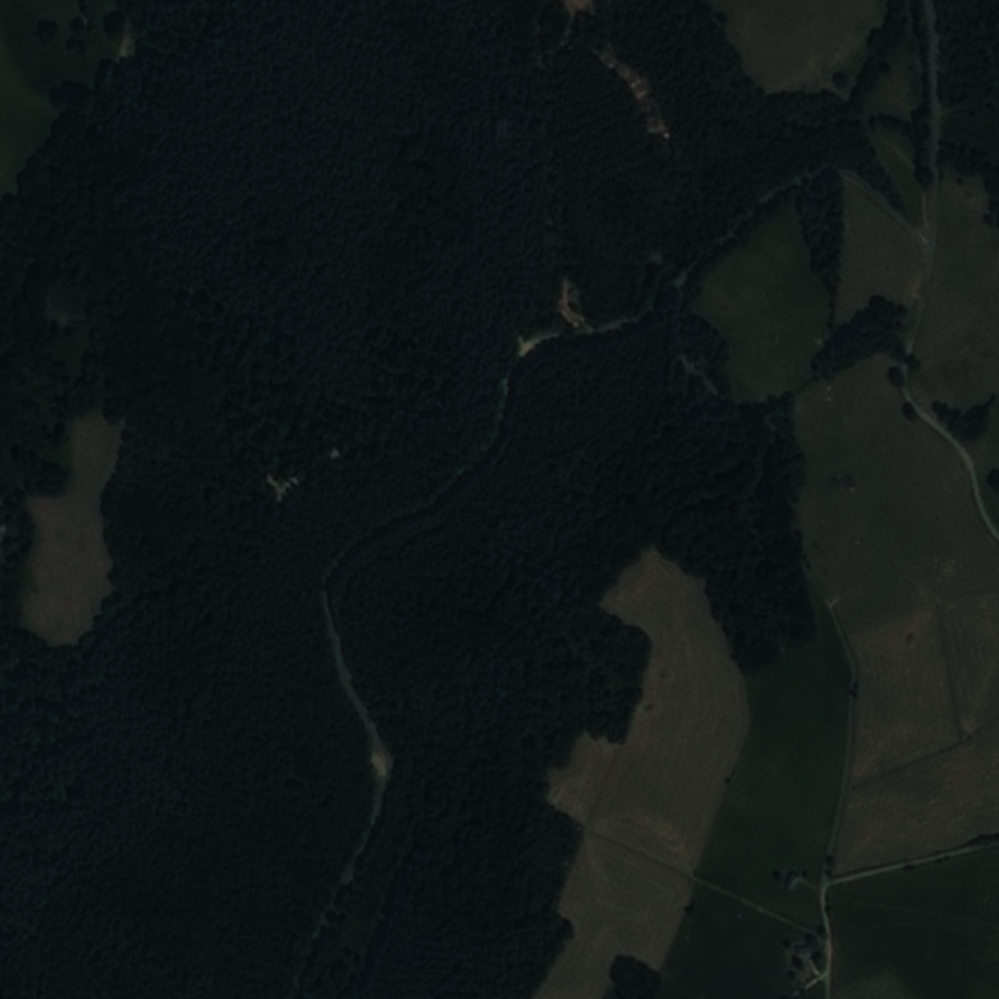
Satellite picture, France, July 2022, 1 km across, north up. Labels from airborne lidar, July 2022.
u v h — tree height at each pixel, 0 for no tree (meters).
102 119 18
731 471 23
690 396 17
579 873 0
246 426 23
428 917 21
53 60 0
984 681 0
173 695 23
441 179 26
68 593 0
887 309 15
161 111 27
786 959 0
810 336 0
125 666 26
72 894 23
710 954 0
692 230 16
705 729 0
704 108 14
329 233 27
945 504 0
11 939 19
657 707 0
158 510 22
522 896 11
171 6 26
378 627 17
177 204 22
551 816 11
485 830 16
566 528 25
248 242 24
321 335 25
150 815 22
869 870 0
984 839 7
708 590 8
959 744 0
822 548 0
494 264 28
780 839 0
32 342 15
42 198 15
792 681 0
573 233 10
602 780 0
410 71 21
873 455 0
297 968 18
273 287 25
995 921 0
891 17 15
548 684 20
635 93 15
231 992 14
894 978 0
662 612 0
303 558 18
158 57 23
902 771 0
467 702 8
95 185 19
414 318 24
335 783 15
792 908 0
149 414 20
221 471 13
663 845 0
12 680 22
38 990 16
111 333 15
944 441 0
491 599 10
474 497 22
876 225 0
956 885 0
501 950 20
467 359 27
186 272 22
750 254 0
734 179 14
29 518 8
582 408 10
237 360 23
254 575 19
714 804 0
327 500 17
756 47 0
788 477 24
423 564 19
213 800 16
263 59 25
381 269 23
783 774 0
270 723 17
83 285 16
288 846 14
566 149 19
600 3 20
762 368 0
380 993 20
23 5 0
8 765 24
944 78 15
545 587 34
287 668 18
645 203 14
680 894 0
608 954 0
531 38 8
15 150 0
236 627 21
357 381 23
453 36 24
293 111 20
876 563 0
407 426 13
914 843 0
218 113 27
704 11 17
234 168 29
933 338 0
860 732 0
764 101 12
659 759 0
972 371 0
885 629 0
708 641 0
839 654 0
